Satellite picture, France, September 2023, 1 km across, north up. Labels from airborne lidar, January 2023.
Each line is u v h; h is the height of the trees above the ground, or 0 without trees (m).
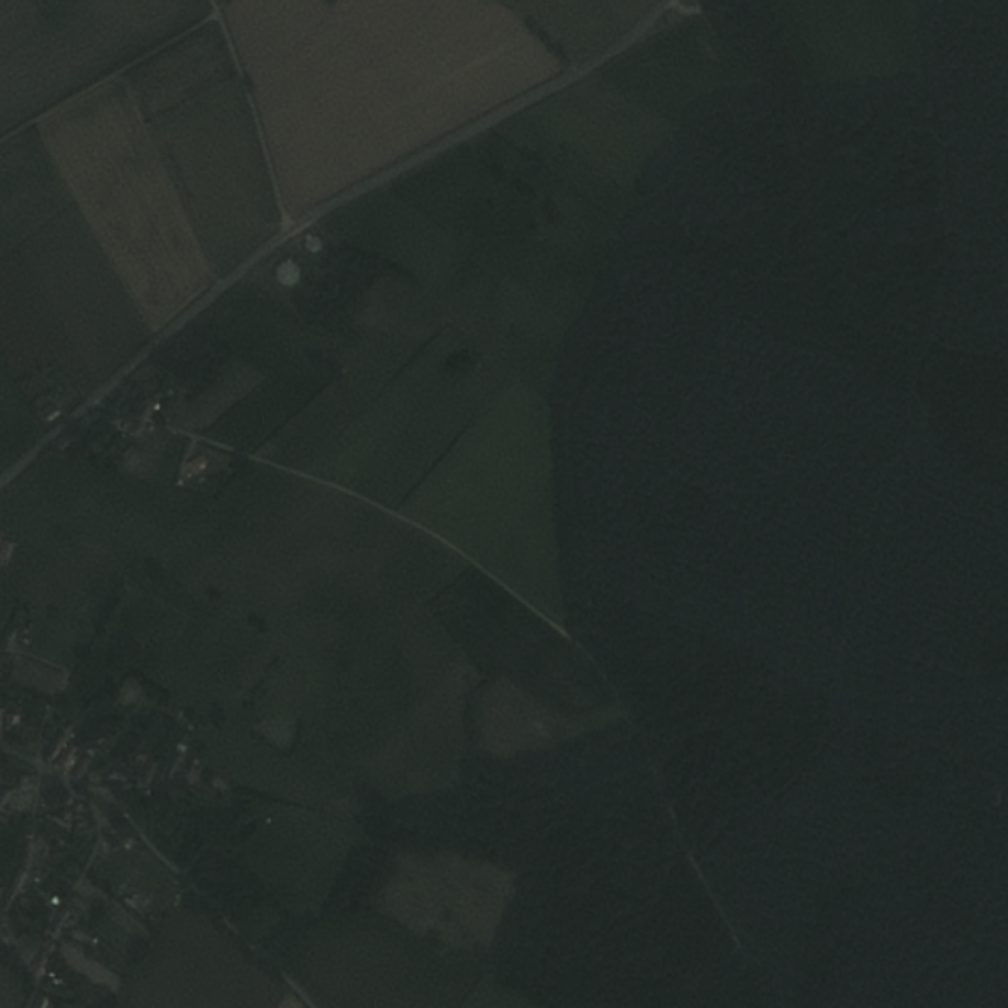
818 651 25
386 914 0
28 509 0
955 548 22
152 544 0
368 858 13
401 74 0
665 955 20
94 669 0
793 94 18
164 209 0
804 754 23
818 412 20
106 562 0
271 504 0
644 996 19
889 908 26
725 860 16
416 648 0
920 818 24
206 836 24
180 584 0
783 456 22
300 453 0
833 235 24
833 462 21
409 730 0
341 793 0
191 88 0
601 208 0
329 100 0
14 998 0
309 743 0
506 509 0
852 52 0
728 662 23
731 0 13
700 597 21
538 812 25
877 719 25
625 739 9
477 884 0
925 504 27
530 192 11
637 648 28
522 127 0
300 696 0
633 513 26
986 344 16
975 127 28
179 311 0
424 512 0
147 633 0
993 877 26
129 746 7
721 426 23
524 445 0
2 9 0
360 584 0
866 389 25
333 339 0
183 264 0
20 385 0
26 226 0
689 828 6
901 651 30
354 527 0
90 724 13
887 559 19
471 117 0
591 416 28
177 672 0
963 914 29
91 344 0
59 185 0
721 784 18
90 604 0
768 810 24
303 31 0
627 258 20
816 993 19
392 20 0
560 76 0
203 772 6
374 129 0
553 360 0
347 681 0
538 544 0
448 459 0
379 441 0
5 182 0
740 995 23
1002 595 27
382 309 0
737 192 20
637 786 20
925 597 24
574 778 31
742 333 21
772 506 30
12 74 0
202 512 0
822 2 0
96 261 0
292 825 0
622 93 0
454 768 0
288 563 0
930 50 25
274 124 0
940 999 28
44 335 0
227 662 0
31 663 0
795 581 25
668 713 23
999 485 25
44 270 0
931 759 20
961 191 29
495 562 0
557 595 0
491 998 0
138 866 0
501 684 0
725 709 24
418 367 0
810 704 27
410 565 0
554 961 22
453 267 0
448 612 0
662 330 22
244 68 0
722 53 0
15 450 0
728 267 19
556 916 20
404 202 0
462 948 0
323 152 0
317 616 0
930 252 17
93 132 0
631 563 19
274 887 0
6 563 0
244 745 0
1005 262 26
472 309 0
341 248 7
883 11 0
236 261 0
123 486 0
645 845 25
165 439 0
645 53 0
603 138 0
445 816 14
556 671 0
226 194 0
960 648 25
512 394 0
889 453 23
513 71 0
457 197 0
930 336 12
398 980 0
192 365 15
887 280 19
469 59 0
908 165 25
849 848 20
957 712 27
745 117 19
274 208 0
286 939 11
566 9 0
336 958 0
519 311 0
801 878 23
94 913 15
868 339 17
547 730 0
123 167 0
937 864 22
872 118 23
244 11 0
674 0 0
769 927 21
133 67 0
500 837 25
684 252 20
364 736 0
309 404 0
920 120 19
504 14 0
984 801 27
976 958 24
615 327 23
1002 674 29
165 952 0
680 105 0
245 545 0
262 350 0
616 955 22
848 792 17
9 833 0
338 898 10
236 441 0
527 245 0
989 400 17
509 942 16
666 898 14
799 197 22
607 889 20
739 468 23
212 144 0
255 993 0
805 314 19
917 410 24
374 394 0
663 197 25
